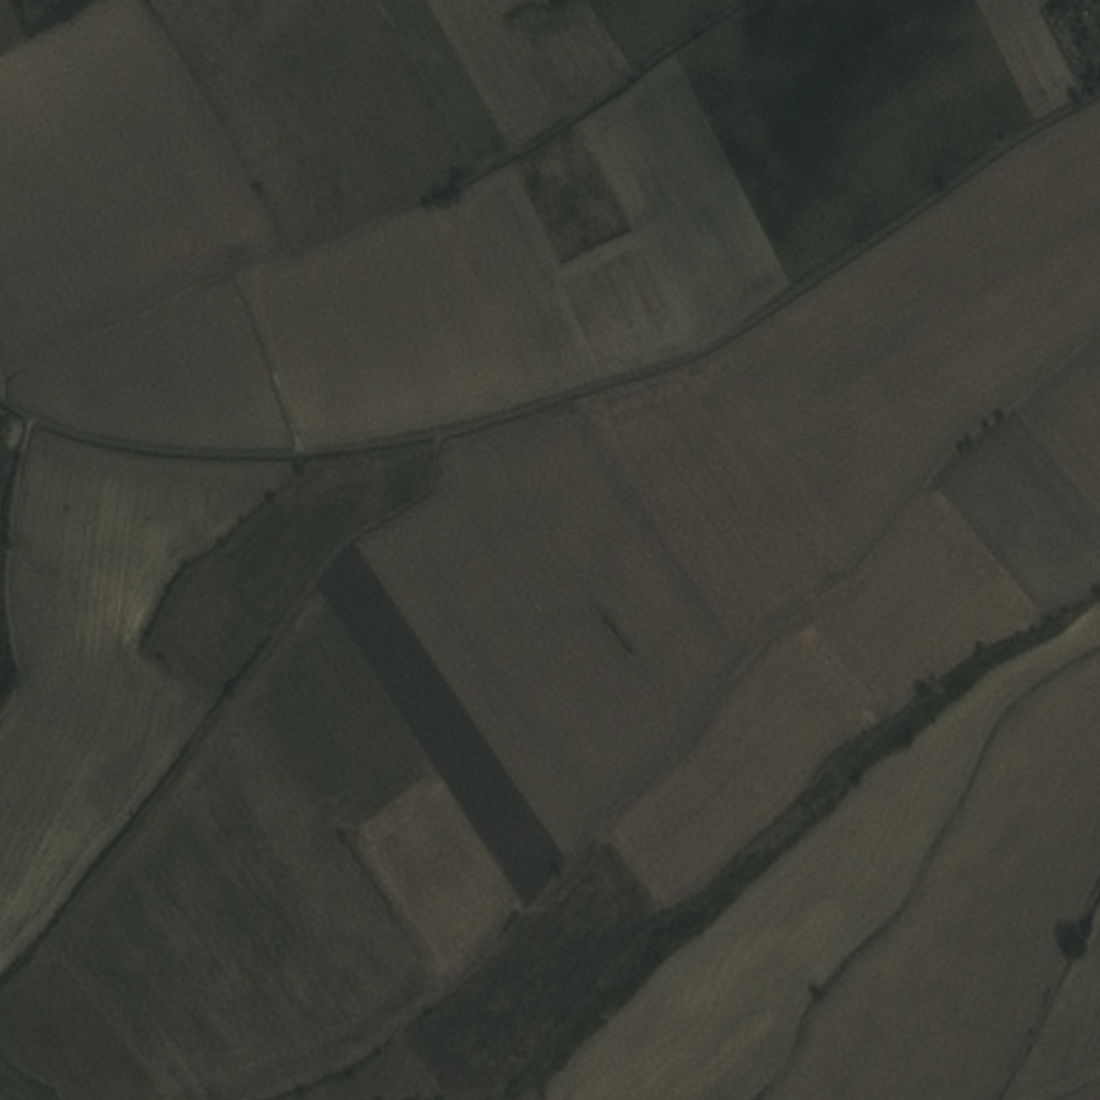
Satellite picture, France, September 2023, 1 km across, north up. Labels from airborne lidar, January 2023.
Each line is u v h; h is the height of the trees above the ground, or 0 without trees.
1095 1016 0
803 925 0
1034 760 0
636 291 0
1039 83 0
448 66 0
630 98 0
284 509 0
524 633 0
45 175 0
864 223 0
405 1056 0
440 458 0
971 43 0
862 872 0
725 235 0
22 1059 0
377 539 0
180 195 0
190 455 0
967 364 0
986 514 0
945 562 0
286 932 0
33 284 0
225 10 0
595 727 0
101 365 0
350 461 0
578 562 0
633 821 0
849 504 0
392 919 0
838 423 0
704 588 0
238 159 0
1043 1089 0
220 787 0
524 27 0
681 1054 0
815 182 0
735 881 7
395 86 0
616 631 6
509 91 0
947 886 0
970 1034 0
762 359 0
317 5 0
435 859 0
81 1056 0
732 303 0
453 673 0
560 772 0
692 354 0
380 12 0
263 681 0
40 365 0
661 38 0
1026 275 0
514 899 0
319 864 0
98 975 0
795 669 0
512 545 0
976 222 0
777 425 0
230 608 0
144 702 0
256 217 0
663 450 0
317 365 0
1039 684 0
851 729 0
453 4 0
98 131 0
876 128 0
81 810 0
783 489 0
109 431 0
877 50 0
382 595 0
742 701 0
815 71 0
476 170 0
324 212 0
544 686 0
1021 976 0
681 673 0
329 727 0
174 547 0
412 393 0
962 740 0
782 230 0
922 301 0
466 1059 0
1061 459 0
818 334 0
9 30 0
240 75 0
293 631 0
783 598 0
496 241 0
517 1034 0
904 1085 0
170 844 0
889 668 0
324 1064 0
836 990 0
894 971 0
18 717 0
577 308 0
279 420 0
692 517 0
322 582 0
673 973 0
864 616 0
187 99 0
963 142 0
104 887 0
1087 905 0
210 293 0
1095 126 0
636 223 0
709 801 0
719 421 0
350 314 0
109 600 0
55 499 0
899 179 0
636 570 0
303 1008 0
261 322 0
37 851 0
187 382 0
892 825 0
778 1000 0
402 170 0
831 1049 0
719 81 0
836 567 0
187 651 0
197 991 0
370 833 0
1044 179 0
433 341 0
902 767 0
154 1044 0
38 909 0
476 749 0
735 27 0
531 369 0
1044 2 0
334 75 0
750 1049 0
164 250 0
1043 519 0
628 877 0
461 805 0
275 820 0
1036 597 0
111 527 0
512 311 0
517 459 0
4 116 0
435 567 0
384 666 0
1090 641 0
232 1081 0
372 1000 0
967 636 0
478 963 0
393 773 0
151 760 0
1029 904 0
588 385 0
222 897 0
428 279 0
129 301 0
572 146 0
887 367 0
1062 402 0
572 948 0
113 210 0
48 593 0
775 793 0
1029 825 0
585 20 0
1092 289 0
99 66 0
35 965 0
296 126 0
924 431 0
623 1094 0
